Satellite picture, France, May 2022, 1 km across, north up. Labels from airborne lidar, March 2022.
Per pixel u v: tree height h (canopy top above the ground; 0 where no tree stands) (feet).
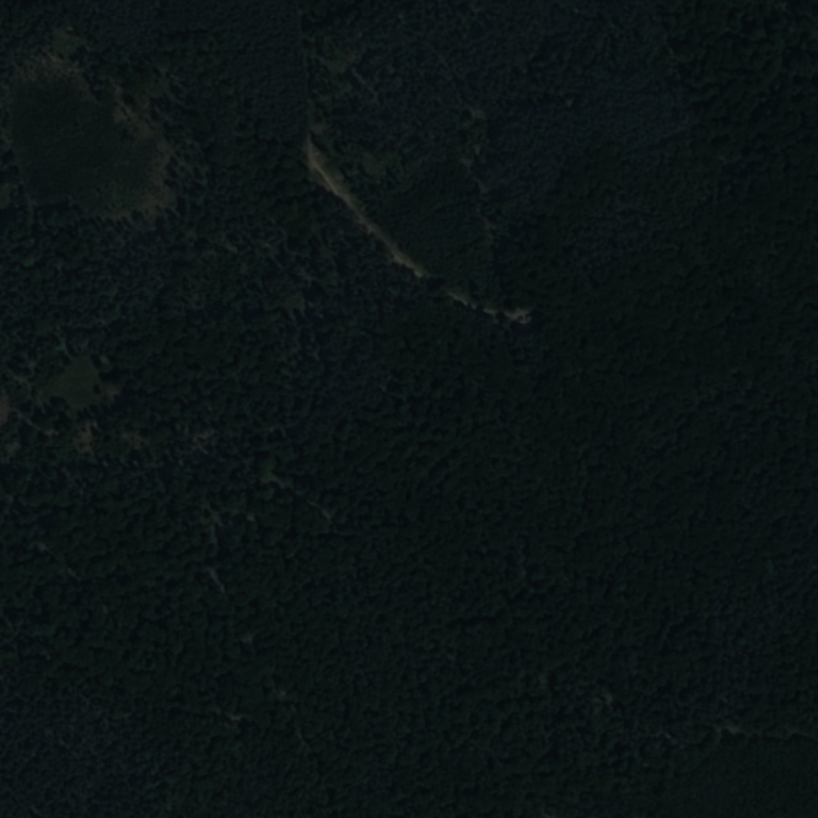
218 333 98
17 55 70
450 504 94
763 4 60
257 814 91
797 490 90
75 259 89
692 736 75
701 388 81
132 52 78
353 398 97
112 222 0
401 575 83
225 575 94
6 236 83
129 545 97
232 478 76
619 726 87
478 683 88
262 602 82
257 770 55
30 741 77
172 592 93
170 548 95
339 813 70
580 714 87
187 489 100
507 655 46
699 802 64
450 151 20
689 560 86
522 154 101
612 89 77
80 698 81
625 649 95
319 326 109
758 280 79
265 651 89
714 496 95
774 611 91
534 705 100
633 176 73
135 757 89
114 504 106
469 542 92
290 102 73
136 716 67
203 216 78
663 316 91
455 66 95
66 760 101
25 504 70
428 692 89
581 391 84
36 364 88
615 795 91
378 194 90
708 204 78
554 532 79
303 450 93
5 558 93
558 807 77
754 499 87
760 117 86
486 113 97
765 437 101
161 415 88
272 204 68
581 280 92
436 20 106
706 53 99
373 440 87
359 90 93
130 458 24
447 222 37
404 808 78
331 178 0
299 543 34
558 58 107
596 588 88
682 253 80
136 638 98
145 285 89
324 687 64
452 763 95
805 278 90
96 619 100
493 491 86
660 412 95
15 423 29
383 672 83
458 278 24
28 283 82
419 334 103
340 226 100
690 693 87
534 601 87
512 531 87
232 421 87
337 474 92
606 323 86
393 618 78
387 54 93
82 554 96
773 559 89
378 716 86
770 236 94
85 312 95
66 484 95
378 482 94
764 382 91
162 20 75
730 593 92
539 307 83
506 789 84
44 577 90
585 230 90
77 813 105
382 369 110
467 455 89
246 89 64
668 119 96
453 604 83
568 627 92
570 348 93
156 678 94
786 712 92
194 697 86
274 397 71
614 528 73
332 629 83
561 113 99
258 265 30
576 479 62
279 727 62
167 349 99
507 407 95
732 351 97
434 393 89
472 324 86
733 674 81
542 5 104
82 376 0
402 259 0
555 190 102
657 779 53
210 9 80
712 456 66
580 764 85
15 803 94
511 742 88
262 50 90
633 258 77
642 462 85
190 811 73
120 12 93
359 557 80
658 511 91
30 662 85
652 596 86
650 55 29
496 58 88
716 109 98
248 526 88
